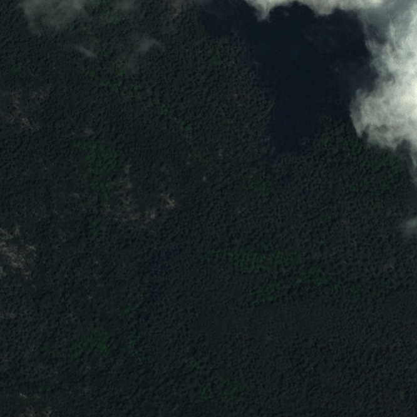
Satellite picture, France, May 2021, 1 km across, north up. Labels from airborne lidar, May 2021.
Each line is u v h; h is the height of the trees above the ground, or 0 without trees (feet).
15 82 38
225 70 69
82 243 43
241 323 75
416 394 77
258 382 73
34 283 37
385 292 58
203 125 50
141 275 73
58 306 29
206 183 18
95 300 43
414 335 65
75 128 49
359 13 64
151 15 72
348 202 64
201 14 64
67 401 32
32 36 47
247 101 67
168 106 51
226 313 69
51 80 49
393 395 79
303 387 83
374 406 68
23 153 57
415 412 73
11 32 47
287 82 70
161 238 24
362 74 63
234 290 70
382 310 80
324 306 72
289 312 70
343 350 72
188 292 73
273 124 72
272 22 38
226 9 74
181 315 72
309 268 48
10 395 27
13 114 47
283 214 53
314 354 86
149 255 76
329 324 70
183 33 73
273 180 33
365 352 51
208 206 20
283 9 77
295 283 91
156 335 75
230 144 55
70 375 50
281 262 54
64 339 39
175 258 80
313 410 22
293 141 35
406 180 98
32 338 55
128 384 28
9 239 21
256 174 26
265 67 31
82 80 53
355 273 94
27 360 70
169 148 39
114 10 55
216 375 89
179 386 34
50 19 61
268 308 75
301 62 66
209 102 69
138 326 65
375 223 64
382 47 22
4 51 64
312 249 68
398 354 73
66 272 29
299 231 59
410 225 55
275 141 59
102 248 28
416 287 73
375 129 60
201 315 74
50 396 32
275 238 73
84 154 34
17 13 62
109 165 44
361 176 74
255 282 63
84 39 47
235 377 42
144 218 30
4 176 22
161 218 25
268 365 76
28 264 45
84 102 54
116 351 52
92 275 44
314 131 32
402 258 62
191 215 47
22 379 112
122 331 33
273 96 86
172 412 27
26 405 45
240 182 74
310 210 53
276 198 90
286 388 74
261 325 66
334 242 73
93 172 50
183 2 56
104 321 64
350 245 60
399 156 66
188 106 44
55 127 52
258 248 73
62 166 43
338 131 100
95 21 75
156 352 62
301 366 63
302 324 76
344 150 41
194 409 36
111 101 41
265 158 40
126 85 47
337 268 33
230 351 98
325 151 24
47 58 44
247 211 49
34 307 27
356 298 45
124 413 38
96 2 62
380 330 20
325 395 73
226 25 68
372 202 66
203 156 84
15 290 59
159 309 71
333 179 65
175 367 62
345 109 70
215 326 73
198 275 62
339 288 32
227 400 32
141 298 56
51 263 65
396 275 93
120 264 58
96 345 35
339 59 18
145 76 78
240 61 73
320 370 85
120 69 80
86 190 45
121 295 18
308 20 94
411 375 59
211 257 43
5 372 64
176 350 77
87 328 22
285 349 22
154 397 65
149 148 43
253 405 42
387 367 81
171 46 58
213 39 58
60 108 47
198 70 39
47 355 42
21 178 48
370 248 75
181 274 61
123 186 51
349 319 70
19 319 54
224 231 31
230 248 56
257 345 80
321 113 57
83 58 73
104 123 41
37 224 38
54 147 41
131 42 95
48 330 31
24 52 62
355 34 52
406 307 75
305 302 68
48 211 34
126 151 62
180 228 63
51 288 19
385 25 32
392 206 68
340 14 23
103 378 64
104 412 69
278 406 29
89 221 69
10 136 31
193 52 60
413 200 66
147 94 90
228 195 62
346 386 61
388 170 52
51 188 74
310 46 37
